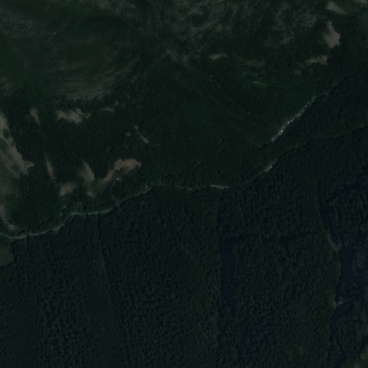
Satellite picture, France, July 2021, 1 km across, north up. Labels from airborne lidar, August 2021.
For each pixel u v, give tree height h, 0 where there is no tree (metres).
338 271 18
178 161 28
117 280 20
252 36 19
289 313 20
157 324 16
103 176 15
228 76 19
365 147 27
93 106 20
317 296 23
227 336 14
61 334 26
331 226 10
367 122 17
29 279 16
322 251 16
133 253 21
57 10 0
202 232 22
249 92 22
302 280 10
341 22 19
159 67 6
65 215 11
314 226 25
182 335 14
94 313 13
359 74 23
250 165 27
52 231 12
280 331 16
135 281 20
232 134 21
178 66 7
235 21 15
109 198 18
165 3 7
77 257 15
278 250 22
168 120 24
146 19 10
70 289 23
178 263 10
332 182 30
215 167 14
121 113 22
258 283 21
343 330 10
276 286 12
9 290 27
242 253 14
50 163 0
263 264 25
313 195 22
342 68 27
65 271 16
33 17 0
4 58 0
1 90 6
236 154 27
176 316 30
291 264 16
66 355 14
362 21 0
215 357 15
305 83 7
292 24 8
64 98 12
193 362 17
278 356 11
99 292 12
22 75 0
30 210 24
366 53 7
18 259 20
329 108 23
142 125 24
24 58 0
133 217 26
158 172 26
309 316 18
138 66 15
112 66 8
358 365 0
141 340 25
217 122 17
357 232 18
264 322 21
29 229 10
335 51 25
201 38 10
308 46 26
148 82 16
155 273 17
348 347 10
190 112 16
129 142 22
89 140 26
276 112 13
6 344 24
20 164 0
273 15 11
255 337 19
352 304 12
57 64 0
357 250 8
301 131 15
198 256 11
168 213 24
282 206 28
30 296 25
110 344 11
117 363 12
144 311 21
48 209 22
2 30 0
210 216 31
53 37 0
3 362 23
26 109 12
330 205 8
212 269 19
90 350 17
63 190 0
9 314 21
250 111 24
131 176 9
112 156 22
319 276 20
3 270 20
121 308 14
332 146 26
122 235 16
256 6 15
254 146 17
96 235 26
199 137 25
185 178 22
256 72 7
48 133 6
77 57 0
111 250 28
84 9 0
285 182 29
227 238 24
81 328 13
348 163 25
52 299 11
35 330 27
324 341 17
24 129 21
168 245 12
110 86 13
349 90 32
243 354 15
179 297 21
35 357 23
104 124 23
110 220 23
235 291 17
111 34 6
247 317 21
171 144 24
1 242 6
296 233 32
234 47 17
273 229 27
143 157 19
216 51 22
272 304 22
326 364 10
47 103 6
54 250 27
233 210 25
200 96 16
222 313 13
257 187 24
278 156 8
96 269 21
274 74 17
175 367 19
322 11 13
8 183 0
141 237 21
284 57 28
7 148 0
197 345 21
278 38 7
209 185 8
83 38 0
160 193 16
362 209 24
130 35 6
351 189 24
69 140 21
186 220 18
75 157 19
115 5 8
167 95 20
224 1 7
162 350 16
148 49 6
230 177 26
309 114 15
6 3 0
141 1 10
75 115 0
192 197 19
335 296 0
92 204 15
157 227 28
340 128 25
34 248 30
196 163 24
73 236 15
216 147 27
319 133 21
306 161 26
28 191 15
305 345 10
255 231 24
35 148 18
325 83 18
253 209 30
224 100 7
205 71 12
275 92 10
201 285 15
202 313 24
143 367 19
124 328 15
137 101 19
